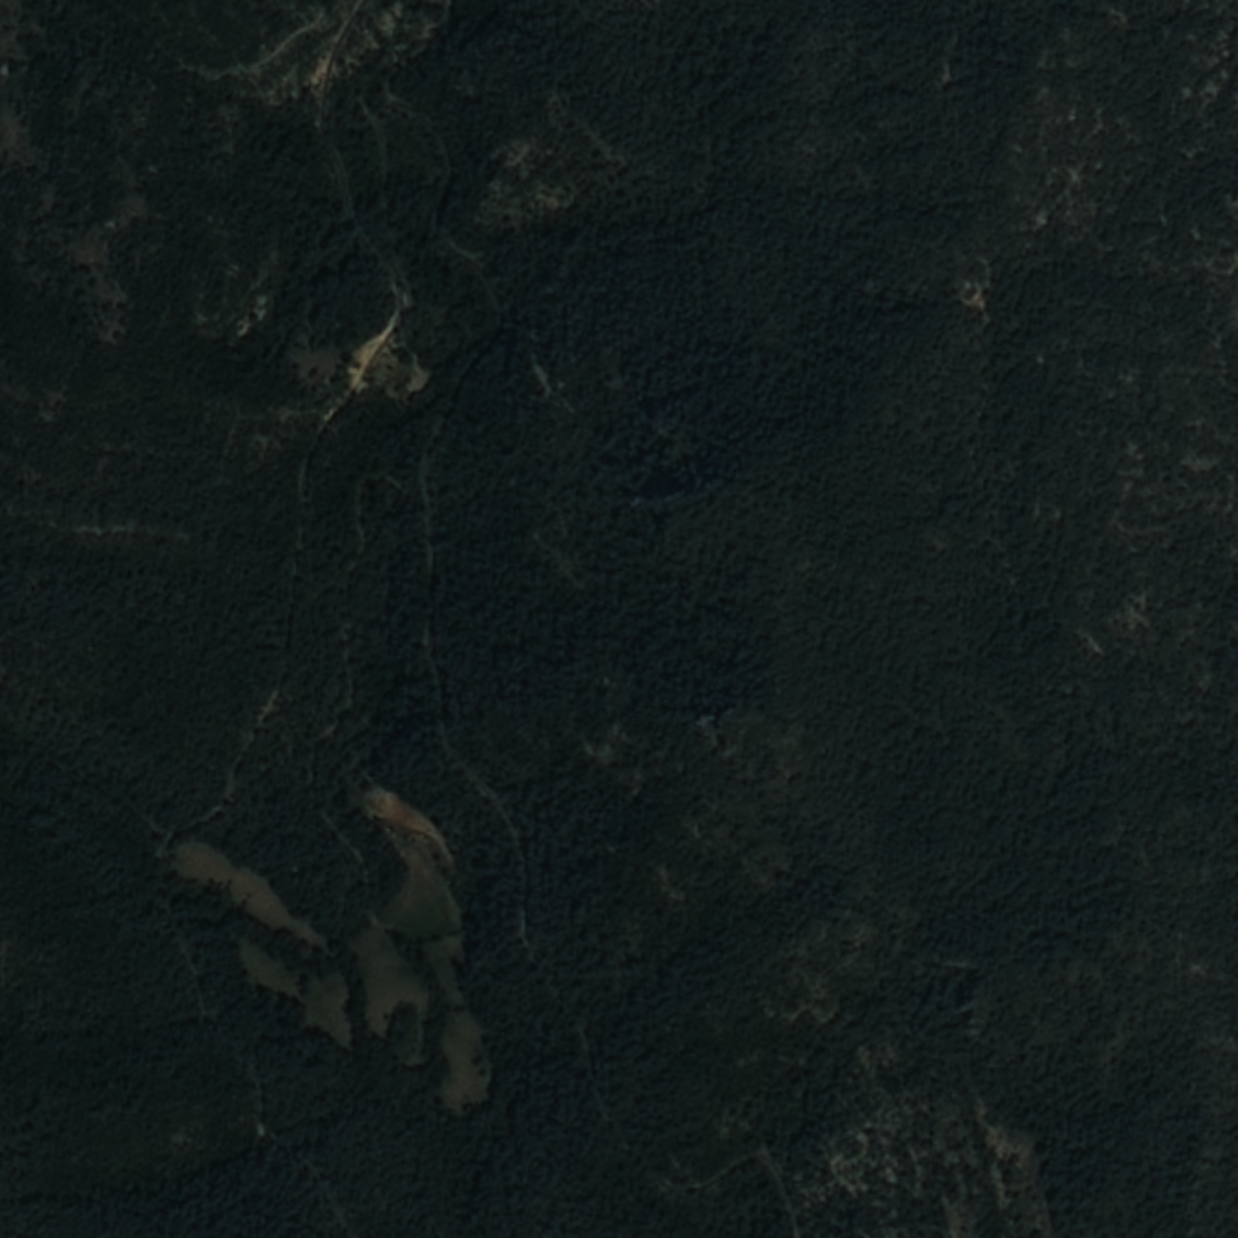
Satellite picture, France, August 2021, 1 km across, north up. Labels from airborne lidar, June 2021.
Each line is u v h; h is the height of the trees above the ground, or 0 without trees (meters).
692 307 11
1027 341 8
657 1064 13
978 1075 9
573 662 16
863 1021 11
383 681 14
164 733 8
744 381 10
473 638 7
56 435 10
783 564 6
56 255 6
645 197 8
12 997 9
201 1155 8
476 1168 23
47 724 9
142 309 7
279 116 13
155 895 12
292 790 13
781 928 8
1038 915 8
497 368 6
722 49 14
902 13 9
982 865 7
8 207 7
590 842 11
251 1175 15
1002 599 8
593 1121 12
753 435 9
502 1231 20
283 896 14
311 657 7
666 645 11
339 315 6
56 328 7
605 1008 10
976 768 7
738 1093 7
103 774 8
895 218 6
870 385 6
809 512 9
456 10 9
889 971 10
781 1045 11
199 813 6
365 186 7
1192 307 6
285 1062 15
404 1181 13
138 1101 11
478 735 10
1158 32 6
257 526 12
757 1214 13
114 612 8
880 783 6
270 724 10
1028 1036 5
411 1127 14
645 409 7
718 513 9
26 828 10
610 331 8
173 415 9
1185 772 7
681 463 6
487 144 7
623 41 7
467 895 7
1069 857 7
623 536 5
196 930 14
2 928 6
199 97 9
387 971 0
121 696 8
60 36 9
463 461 7
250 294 11
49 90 9
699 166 13
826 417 7
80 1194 7
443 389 8
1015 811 9
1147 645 6
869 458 7
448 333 11
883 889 6
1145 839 6
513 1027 8
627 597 12
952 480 8
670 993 16
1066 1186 8
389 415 14
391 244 10
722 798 9
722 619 10
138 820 16
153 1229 14
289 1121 17
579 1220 11
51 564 14
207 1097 8
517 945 11
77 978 8
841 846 6
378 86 6
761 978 7
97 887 12
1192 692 6
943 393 6
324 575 14
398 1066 13
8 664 10
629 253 10
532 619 13
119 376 13
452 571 9
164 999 13
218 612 10
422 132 6
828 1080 9
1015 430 6
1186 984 6
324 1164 14
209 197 7
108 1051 10
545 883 14
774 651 7
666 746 6
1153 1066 7
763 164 7
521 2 10
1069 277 7
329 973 13
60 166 9
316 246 15
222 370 14
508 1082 17
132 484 12
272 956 15
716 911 10
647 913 7
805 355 6
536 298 6
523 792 9
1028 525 7
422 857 0
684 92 12
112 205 6
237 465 8
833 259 6
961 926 11
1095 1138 7
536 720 7
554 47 8
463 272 7
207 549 9
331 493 12
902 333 8
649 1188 10
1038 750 7
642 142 6
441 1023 12
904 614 7
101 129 8
